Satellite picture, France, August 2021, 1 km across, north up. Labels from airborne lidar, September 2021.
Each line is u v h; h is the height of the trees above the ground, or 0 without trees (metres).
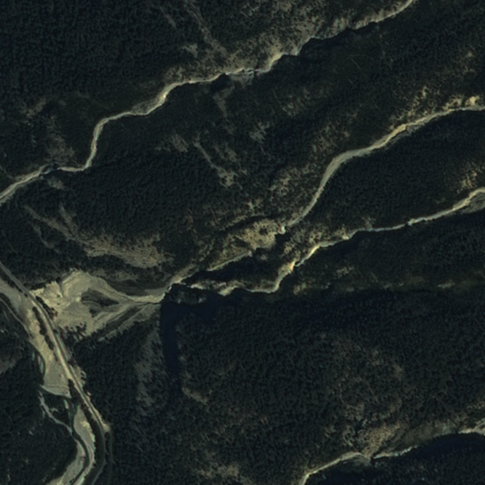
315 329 9
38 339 0
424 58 15
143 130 7
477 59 10
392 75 12
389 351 14
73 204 11
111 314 0
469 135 7
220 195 13
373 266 6
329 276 7
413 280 0
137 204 12
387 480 6
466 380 22
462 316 16
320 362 9
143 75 8
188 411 8
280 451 19
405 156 8
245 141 8
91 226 10
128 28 12
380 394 10
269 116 8
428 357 19
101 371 15
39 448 11
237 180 8
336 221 11
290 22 6
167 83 0
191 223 7
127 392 15
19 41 11
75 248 12
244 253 0
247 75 0
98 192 12
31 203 15
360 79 5
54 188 11
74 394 12
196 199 12
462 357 20
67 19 15
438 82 15
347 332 11
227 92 0
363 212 7
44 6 15
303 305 7
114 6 8
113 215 12
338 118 12
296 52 0
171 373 7
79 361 10
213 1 9
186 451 12
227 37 7
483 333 18
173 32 12
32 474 11
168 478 18
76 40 12
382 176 10
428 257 8
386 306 12
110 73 13
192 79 0
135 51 17
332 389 9
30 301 0
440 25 7
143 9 19
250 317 9
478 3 6
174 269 7
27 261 18
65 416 10
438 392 18
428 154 7
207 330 9
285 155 11
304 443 12
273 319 8
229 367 8
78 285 0
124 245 7
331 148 5
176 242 8
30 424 18
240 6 10
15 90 12
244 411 11
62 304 0
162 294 0
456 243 18
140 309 0
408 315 16
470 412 11
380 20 0
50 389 0
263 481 11
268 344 15
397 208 9
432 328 16
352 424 19
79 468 0
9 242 13
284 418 16
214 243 5
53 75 13
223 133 7
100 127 0
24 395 22
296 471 6
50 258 16
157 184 14
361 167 7
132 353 10
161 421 9
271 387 8
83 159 6
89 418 13
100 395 18
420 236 8
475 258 6
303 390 16
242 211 7
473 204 0
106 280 0
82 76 10
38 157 6
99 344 11
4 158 8
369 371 8
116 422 14
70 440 11
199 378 6
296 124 7
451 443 6
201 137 7
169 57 9
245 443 17
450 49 12
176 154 9
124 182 14
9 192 0
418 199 7
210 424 9
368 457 0
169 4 13
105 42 14
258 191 9
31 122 9
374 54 6
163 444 11
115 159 6
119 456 7
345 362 11
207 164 8
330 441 20
